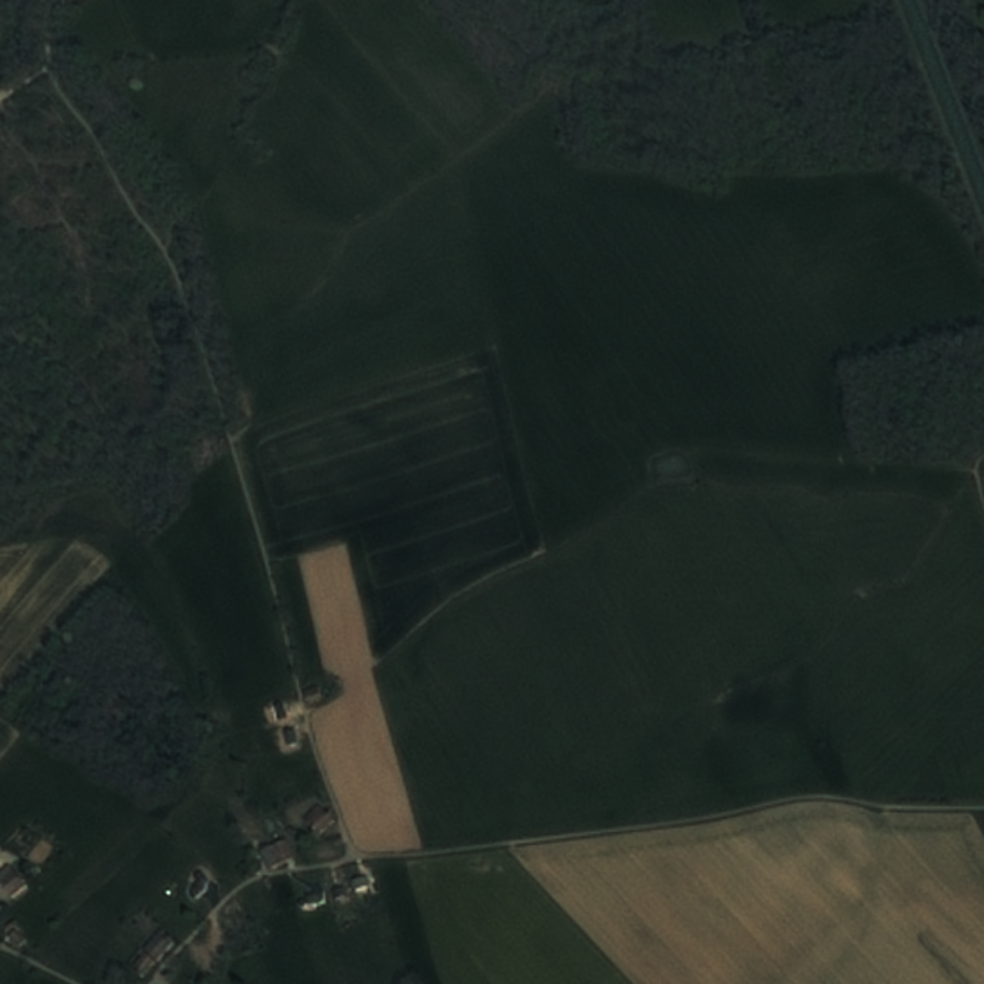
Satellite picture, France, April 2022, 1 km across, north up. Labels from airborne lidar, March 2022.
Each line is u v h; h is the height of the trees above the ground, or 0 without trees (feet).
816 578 0
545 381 0
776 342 0
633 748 0
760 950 0
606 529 0
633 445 0
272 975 0
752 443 0
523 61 98
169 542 0
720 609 0
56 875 0
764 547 0
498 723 0
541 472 0
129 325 84
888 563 0
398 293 0
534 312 0
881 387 89
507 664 0
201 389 91
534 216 0
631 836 0
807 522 0
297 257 0
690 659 0
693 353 0
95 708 93
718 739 0
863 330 0
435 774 0
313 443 0
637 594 0
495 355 0
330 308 0
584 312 0
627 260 0
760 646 0
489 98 0
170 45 0
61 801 0
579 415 0
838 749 0
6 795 0
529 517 0
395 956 0
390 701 0
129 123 95
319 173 0
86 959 0
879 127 85
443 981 0
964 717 0
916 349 69
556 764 0
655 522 0
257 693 0
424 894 0
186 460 74
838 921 0
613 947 0
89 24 0
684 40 0
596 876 0
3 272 77
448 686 0
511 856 0
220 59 0
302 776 0
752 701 0
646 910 0
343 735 0
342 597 0
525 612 0
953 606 0
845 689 0
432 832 0
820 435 0
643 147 94
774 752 0
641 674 0
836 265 0
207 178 0
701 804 0
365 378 0
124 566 0
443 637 0
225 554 0
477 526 0
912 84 88
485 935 0
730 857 0
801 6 0
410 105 0
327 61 0
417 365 0
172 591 0
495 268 0
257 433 0
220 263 0
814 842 0
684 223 0
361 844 0
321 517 0
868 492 0
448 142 0
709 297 0
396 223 0
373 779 0
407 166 0
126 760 81
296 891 0
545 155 0
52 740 62
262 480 0
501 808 0
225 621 0
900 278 0
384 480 0
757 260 0
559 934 0
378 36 0
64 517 0
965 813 0
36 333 84
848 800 0
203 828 0
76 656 81
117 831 0
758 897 0
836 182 0
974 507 0
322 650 0
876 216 0
